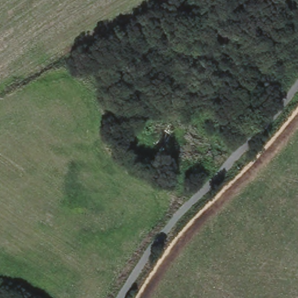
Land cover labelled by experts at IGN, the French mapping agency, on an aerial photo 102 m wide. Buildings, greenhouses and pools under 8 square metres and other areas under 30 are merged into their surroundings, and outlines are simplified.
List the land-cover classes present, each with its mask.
<instances>
[{"label":"agricultural land","instance_id":"1","mask_svg":"<svg viewBox=\"0 0 298 298\"><path fill-rule=\"evenodd\" d=\"M170 0H0V281L2 282L6 276L26 279L36 288L47 291L52 298H119V291L141 260L144 251L148 247L151 248L157 234L163 233V228L173 213L190 199L173 191L154 189L144 180L129 176L127 169L114 161L112 149L100 136L101 116L105 111L97 100V80L91 73H85L83 78L73 77L69 69L58 66L62 62L71 61L73 51L78 48L83 50L84 54H90L92 45L101 38H108L114 34L115 27L125 31L130 21L149 12H158L163 3ZM251 162L254 164L180 237L155 276L151 278L141 298H298V114L276 141L268 149L264 148L257 152Z\"/></svg>","mask_w":298,"mask_h":298},{"label":"deciduous trees","instance_id":"2","mask_svg":"<svg viewBox=\"0 0 298 298\"><path fill-rule=\"evenodd\" d=\"M290 9H298V0H170L163 3L158 12H149L130 21L125 31L115 27L114 34L108 38H101L92 45L90 54H84L83 50L78 48L73 51L71 61L62 62L58 66L69 69L73 77L83 78L85 73H91L97 80V100L105 111L101 116L100 136L112 149L114 161L127 169L129 176L144 180L154 189L173 191L179 175L180 159L177 162L164 152L156 154L154 162L142 164L137 161L134 152L129 151V143L137 140L136 135L142 132L148 120L170 118L178 114L190 120L191 108H199L201 113H214L217 118L226 121V125L219 127V134L225 140L240 136V130L232 127L236 123L248 122L262 130L268 123L274 122V115L281 111L288 92L283 90L279 81L263 73L257 66L234 62L225 54V45L218 43L217 37H225L228 33L239 37L246 36L253 41L260 38L261 42L269 41L274 47H278V42L271 35L275 31L281 33L289 29L295 30L293 17L288 12Z\"/></svg>","mask_w":298,"mask_h":298},{"label":"brushwood","instance_id":"3","mask_svg":"<svg viewBox=\"0 0 298 298\"><path fill-rule=\"evenodd\" d=\"M293 17L295 30L289 29L281 33L275 31L271 35L278 42V47H274L269 41L261 42L260 38L253 41L246 36L239 37L228 33L225 37H217L218 43L225 45V54L234 62L257 66L263 73L279 81L283 90L288 92L281 111L274 115V122L268 123L262 130L248 122L236 123L232 127L240 130V136L225 140L227 146L234 151L243 143H248V150L234 162L232 168L219 171L210 183V189L218 192L242 170L244 165L251 162L257 152L264 148V144L298 106V9H290L288 12ZM180 120L183 125H190L196 129L204 128L207 135L219 134V127L226 125V121L217 118L214 113H201L199 108H191L190 120L182 116ZM206 179L201 175L185 177L184 189L193 194L205 184ZM0 298H52L47 291L36 288L26 279L6 276L2 282L0 281Z\"/></svg>","mask_w":298,"mask_h":298},{"label":"herbaceous vegetation","instance_id":"4","mask_svg":"<svg viewBox=\"0 0 298 298\"><path fill-rule=\"evenodd\" d=\"M182 116L178 114L170 118L148 120L142 132L136 135L137 140L129 143V151L134 152L137 161L142 164L154 162L156 154L164 152L177 162L180 159L179 175L173 191L190 199L193 194L184 189L185 177L201 175L206 179L205 184L210 183L234 151L227 146L225 140L219 134L207 135L204 128L196 129L190 125H183L180 120ZM218 192L210 189L177 221L171 232L166 233V242L169 243L193 215Z\"/></svg>","mask_w":298,"mask_h":298},{"label":"impervious surface","instance_id":"5","mask_svg":"<svg viewBox=\"0 0 298 298\"><path fill-rule=\"evenodd\" d=\"M248 150V143H243L234 151L219 171L232 168L234 162ZM210 183L205 184L193 194L190 199L173 213L163 228V233L157 234L151 248L148 247L144 251L141 260L119 291V298H137L136 293L140 286L135 283V279L139 277L147 262L155 265L169 243L166 242V233L171 232L177 221L210 189Z\"/></svg>","mask_w":298,"mask_h":298},{"label":"pervious surface","instance_id":"6","mask_svg":"<svg viewBox=\"0 0 298 298\"><path fill-rule=\"evenodd\" d=\"M298 114V106L264 144V148L268 149L276 141ZM254 164L251 162L244 165L242 170L218 192L193 215L169 243L155 265L147 262L139 277L135 279V283L140 286L136 293L137 298H141L151 278L155 276L180 237Z\"/></svg>","mask_w":298,"mask_h":298}]
</instances>
